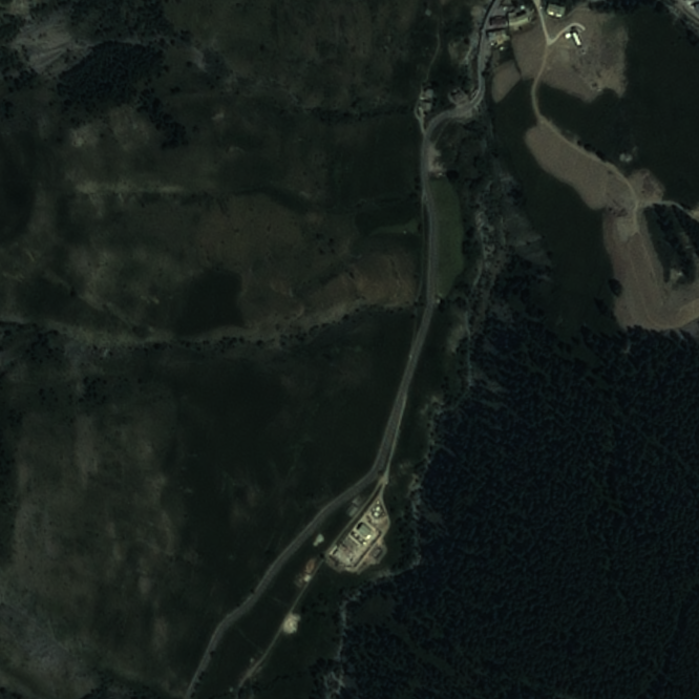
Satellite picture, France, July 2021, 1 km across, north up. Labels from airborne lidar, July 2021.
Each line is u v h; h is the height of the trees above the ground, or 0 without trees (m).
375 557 0
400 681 5
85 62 15
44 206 0
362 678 11
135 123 0
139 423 0
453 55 0
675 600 25
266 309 0
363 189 0
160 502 0
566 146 0
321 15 0
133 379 0
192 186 0
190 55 0
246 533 0
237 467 0
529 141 0
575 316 0
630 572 28
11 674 0
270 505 0
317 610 6
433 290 0
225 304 0
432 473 11
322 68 0
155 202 0
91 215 0
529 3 15
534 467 26
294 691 0
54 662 0
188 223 0
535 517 22
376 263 0
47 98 0
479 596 30
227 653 0
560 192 0
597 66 0
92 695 10
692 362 27
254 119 0
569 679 27
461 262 0
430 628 28
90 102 14
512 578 31
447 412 7
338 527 0
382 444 0
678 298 0
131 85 10
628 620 26
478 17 0
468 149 0
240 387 0
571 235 0
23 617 0
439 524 0
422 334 0
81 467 0
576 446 23
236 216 0
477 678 25
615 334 0
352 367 0
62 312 0
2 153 0
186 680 0
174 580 0
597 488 28
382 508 0
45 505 0
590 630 23
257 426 0
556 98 0
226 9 0
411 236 0
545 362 33
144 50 24
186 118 0
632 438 19
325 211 0
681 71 0
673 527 29
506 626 29
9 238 0
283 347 7
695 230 19
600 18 0
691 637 26
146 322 0
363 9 0
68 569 0
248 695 6
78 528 0
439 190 0
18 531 0
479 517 26
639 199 0
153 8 11
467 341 8
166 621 0
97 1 9
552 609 27
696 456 26
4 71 8
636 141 0
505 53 0
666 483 21
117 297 0
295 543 0
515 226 0
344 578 0
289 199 0
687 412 26
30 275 0
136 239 0
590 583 22
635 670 24
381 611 0
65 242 0
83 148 0
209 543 0
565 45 0
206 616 0
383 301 0
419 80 0
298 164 0
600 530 27
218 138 0
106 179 0
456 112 0
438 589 26
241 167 0
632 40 0
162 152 0
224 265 0
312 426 0
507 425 22
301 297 0
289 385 0
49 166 0
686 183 0
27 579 0
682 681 26
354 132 0
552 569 29
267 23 0
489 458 27
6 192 0
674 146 0
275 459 0
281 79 0
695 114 0
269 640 0
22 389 0
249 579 0
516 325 12
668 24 0
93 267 0
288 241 0
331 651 0
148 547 0
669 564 23
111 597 0
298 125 0
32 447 0
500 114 0
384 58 0
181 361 0
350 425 0
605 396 9
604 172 0
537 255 0
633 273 0
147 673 0
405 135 0
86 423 0
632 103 0
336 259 0
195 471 0
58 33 0
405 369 0
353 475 0
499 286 8
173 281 0
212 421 0
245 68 0
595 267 0
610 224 0
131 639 0
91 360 0
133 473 0
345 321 8
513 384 18
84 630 0
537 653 28
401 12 0
